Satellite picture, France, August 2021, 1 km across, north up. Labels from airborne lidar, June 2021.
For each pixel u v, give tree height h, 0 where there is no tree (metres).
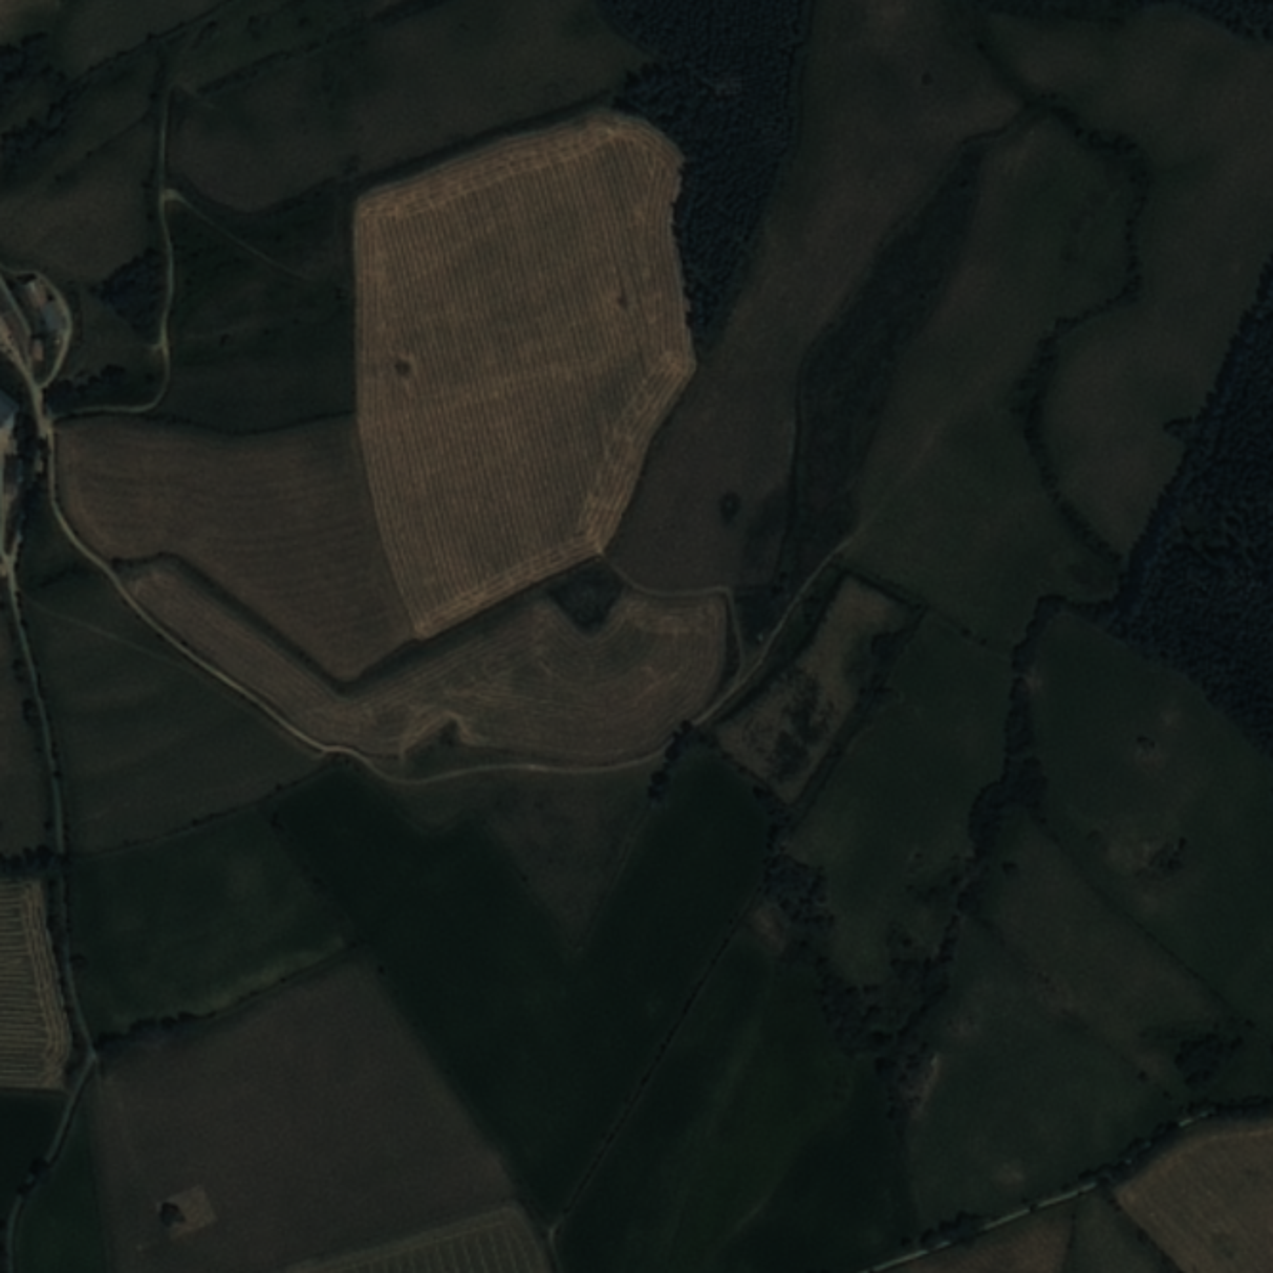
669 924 0
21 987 0
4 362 10
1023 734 10
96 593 0
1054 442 0
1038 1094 0
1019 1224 0
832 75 0
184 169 0
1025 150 0
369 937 0
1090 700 0
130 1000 0
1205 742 0
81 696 0
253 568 0
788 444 0
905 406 0
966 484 0
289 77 0
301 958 0
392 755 0
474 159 0
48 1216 0
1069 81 0
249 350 0
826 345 0
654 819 0
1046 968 0
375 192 0
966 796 0
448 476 0
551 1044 0
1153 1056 0
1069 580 0
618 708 0
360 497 0
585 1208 0
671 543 0
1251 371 21
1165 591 23
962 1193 0
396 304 0
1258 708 17
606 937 0
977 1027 0
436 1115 0
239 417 0
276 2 0
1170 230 0
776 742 0
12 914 0
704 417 0
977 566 0
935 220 0
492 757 0
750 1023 0
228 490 0
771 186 20
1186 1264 0
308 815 0
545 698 0
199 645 0
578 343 0
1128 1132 0
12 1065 0
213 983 0
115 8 0
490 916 0
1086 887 0
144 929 0
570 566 0
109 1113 0
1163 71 0
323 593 0
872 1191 0
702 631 0
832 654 0
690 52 18
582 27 0
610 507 0
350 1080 0
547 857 0
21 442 11
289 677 0
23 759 0
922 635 0
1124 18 0
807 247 0
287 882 0
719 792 0
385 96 0
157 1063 0
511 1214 0
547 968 0
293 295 0
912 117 0
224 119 0
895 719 0
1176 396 0
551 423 0
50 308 0
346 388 0
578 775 0
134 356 0
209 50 0
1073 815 0
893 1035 8
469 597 0
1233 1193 0
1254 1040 0
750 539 0
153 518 0
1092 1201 0
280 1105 0
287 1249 0
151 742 0
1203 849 0
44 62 12
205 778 0
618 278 0
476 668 0
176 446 0
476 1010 0
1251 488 19
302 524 0
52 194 0
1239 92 0
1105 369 0
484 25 0
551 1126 0
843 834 0
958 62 0
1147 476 0
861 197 0
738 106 22
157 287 11
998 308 0
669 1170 0
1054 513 0
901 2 0
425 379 0
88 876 0
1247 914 0
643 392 0
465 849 0
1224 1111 13
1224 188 0
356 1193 0
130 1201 0
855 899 0
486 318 0
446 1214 0
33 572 0
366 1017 0
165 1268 0
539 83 0
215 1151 0
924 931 0
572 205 0
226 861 0
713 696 0
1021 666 8
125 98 0
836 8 0
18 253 0
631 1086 0
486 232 0
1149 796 0
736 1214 0
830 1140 0
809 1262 0
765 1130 0
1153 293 0
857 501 0
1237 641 24
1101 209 0
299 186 0
